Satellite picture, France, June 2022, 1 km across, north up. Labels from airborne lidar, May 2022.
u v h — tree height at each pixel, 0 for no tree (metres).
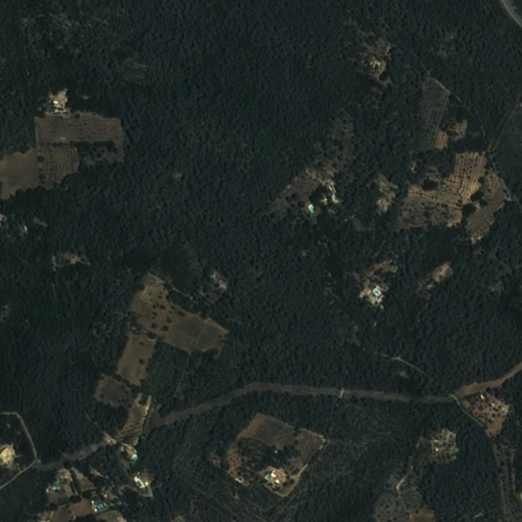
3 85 10
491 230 9
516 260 19
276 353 15
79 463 16
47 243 12
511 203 8
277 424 0
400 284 7
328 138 12
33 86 10
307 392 0
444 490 20
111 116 13
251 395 8
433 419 20
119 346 18
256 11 21
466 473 20
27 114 20
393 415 7
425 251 13
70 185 19
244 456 10
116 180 13
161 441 15
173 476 17
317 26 20
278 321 17
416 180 19
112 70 22
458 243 7
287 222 19
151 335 8
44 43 11
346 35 19
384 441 8
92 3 6
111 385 0
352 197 17
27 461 9
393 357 20
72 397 15
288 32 14
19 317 9
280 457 9
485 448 20
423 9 17
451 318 18
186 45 19
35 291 16
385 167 19
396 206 18
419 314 17
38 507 8
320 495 16
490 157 9
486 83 8
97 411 16
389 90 11
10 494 7
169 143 16
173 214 20
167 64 17
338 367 11
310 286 20
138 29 16
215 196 8
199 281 16
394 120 19
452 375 15
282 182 20
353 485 17
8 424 11
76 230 17
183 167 17
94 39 14
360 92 18
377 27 16
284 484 8
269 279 22
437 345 16
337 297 8
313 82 12
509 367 12
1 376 13
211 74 15
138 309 0
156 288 0
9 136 16
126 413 10
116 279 8
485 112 14
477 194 10
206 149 13
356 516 15
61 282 20
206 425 8
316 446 0
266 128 16
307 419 7
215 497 8
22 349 15
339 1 16
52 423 13
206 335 0
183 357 7
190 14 18
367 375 19
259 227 21
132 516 19
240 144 7
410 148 20
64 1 19
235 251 22
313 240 16
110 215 15
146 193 18
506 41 19
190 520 6
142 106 17
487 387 0
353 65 7
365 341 17
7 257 11
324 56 19
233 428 17
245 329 18
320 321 20
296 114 17
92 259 12
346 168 14
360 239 9
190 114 12
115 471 14
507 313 15
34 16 9
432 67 16
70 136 0
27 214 12
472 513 17
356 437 6
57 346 13
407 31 8
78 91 21
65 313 12
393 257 17
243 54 15
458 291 11
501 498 18
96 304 13
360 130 17
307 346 19
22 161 0
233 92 19
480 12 16
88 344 19
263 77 18
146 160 20
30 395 15
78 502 12
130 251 7
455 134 6
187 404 19
